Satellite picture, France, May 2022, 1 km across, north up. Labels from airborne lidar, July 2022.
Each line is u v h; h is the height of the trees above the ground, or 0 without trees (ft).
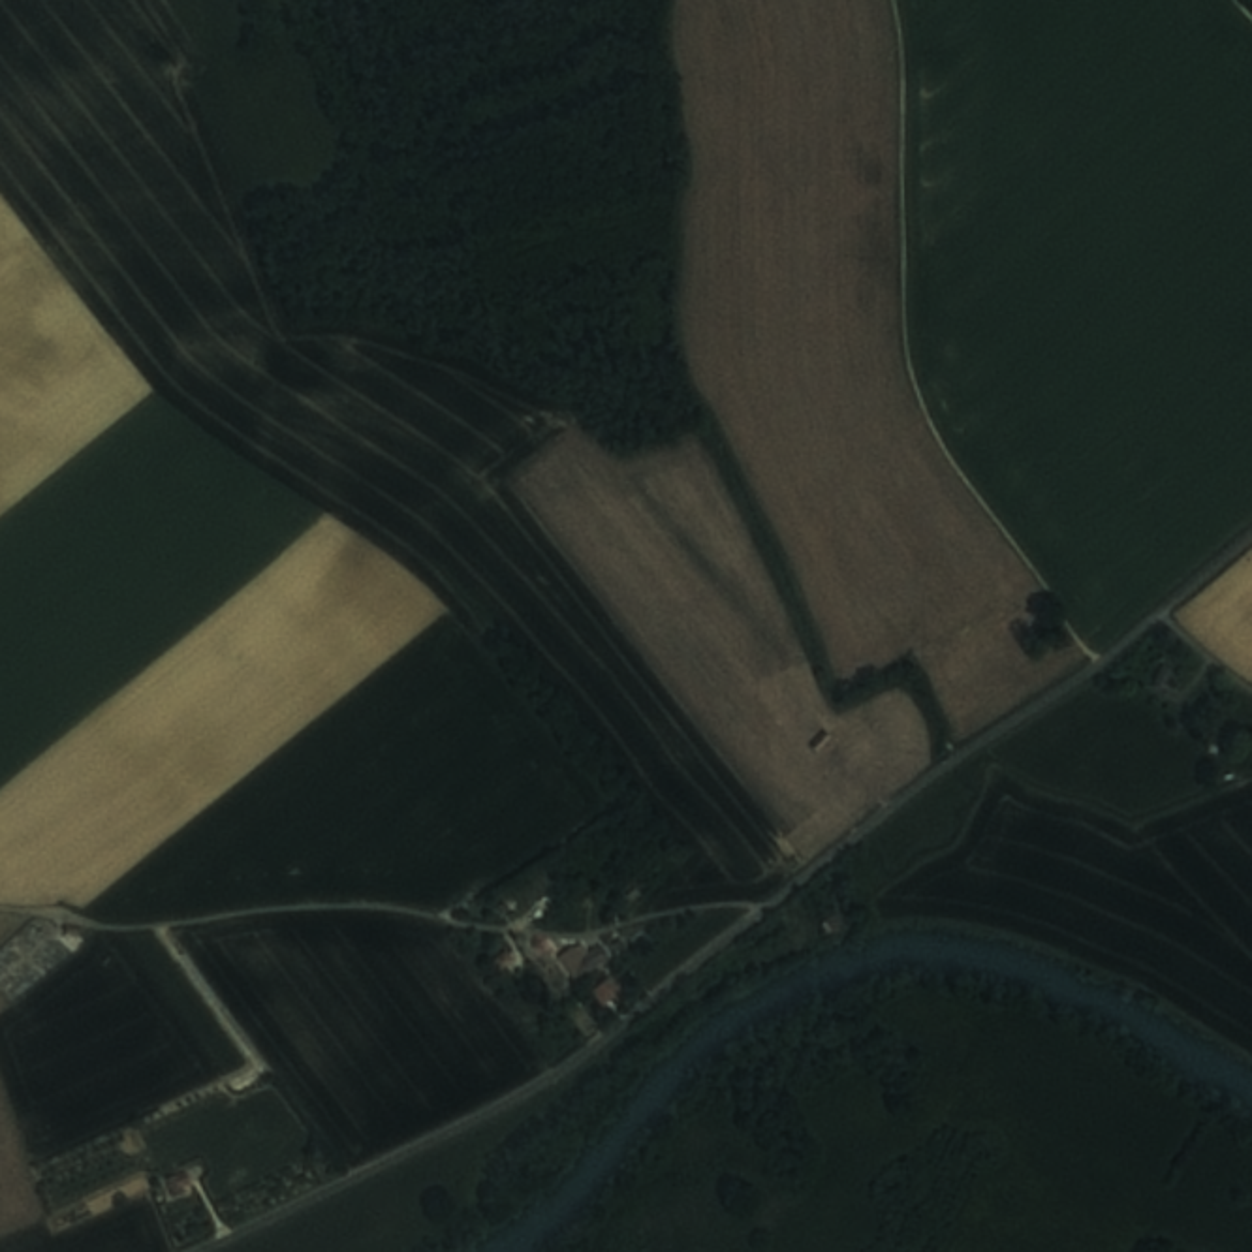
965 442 0
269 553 0
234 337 0
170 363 0
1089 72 0
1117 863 0
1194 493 0
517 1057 0
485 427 0
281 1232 0
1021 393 0
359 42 99
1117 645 0
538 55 27
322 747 0
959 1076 0
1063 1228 0
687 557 0
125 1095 0
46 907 0
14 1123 0
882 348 0
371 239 26
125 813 0
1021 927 0
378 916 0
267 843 0
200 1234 37
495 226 108
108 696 0
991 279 0
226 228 0
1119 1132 0
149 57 0
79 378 0
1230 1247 0
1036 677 0
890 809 0
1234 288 0
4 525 0
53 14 0
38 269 0
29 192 0
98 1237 0
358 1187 0
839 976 0
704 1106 23
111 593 0
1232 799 0
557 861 29
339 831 0
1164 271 0
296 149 0
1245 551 0
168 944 0
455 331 26
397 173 94
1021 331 0
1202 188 0
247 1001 0
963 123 0
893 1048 83
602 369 97
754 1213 51
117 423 0
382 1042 0
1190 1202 0
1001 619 0
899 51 0
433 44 100
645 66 93
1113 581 0
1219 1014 0
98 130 0
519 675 62
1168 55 0
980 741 0
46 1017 0
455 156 95
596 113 98
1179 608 0
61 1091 0
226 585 0
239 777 0
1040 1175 0
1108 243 0
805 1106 0
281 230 70
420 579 0
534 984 55
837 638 0
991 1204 0
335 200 75
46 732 0
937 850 0
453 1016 0
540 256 18
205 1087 0
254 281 0
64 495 0
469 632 0
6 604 0
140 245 0
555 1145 73
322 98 49
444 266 25
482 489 0
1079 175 0
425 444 0
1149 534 0
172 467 0
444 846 0
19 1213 0
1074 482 0
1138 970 0
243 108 0
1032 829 0
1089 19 0
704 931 0
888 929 0
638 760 0
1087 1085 0
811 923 0
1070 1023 62
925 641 0
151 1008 0
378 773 0
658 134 93
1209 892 0
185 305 0
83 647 0
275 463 0
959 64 0
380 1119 0
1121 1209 0
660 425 93
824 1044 67
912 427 0
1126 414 0
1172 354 0
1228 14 0
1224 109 0
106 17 0
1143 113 0
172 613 0
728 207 0
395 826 0
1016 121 0
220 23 0
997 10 0
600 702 0
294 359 0
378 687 0
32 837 0
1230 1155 0
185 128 0
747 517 0
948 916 0
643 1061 75
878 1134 0
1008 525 0
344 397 0
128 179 0
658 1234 0
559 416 0
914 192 0
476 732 0
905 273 0
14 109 0
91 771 0
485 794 0
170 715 0
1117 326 0
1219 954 0
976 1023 0
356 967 0
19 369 0
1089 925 0
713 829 0
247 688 0
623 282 37
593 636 0
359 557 0
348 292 75
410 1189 0
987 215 0
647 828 69
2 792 0
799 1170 67
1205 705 53
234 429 0
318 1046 0
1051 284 0
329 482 0
